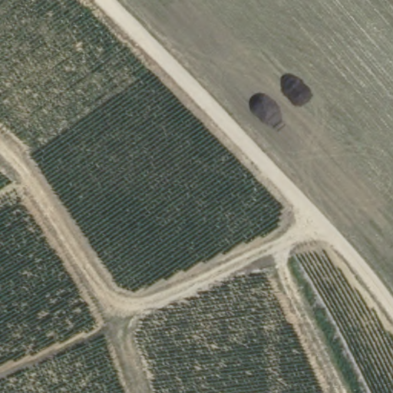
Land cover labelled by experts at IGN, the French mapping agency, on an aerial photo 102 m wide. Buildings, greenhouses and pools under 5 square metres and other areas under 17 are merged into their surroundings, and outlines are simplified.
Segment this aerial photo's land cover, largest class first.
<instances>
[{"label":"vineyard","instance_id":"1","mask_svg":"<svg viewBox=\"0 0 393 393\"><path fill-rule=\"evenodd\" d=\"M0 123L5 124L20 140L28 144L32 160L37 163L38 169L45 175L52 189L68 212L83 235L88 238L92 249L109 270L117 286L132 292L152 286L160 279H169L175 273L189 270L195 264L206 263L220 253L230 252L239 244L250 243L258 236L267 235L278 227L279 216L284 206L293 212V204L286 200V196L282 195L276 184L270 178H264L261 183L256 180L261 172L259 167L230 140L229 135L207 115L203 107L138 45L134 38H130L95 0H0ZM11 183L0 173V393H124L106 339L98 333L101 330L100 325L95 324L88 304L81 298L74 279L63 266L60 256L49 246L41 227L35 221L34 215L21 204L18 190L11 189ZM287 264L299 293L304 296L307 312L312 315L322 332L333 364L338 368L348 393H393V318L388 315L378 296L367 286V282L332 244L310 239L293 244ZM138 348L147 352V364L154 375L157 393H322L321 385L313 373L309 359L305 356L298 335L293 330V325L287 321L286 313L282 310L278 298L273 295L272 286L264 273L233 275L224 279L220 286L201 290L196 292L195 296L183 298L180 302H170L166 307L155 309L144 316L141 318L140 332L137 333Z\"/></svg>","mask_w":393,"mask_h":393},{"label":"agricultural land","instance_id":"2","mask_svg":"<svg viewBox=\"0 0 393 393\"><path fill-rule=\"evenodd\" d=\"M146 29L147 34L154 38L158 45L163 46L164 51L177 61L216 103L220 104L221 109L244 130V134L261 149V152L266 154L269 160L321 210L322 215L338 229V232L347 239V243L381 279L393 298V0H117Z\"/></svg>","mask_w":393,"mask_h":393},{"label":"pervious surface","instance_id":"3","mask_svg":"<svg viewBox=\"0 0 393 393\"><path fill-rule=\"evenodd\" d=\"M130 38H134L138 45L203 107L207 115L229 135L230 140L259 167L261 172L256 180L261 183L264 178H270L276 184L282 195L286 196V200L293 204V212L295 224L272 243L255 247L238 258L230 259L229 263L213 267L203 275L181 282L178 286L170 287L163 292L144 298H126L104 286V282L69 232L68 226L64 224L63 216L68 212L52 189L46 192L43 189L38 178L32 175L28 166L0 137V155L20 175V184L11 183V189L18 190L21 204L34 215L35 221L41 227L51 223L74 263L84 278L88 279L89 286L100 299L107 315L126 316L138 312L144 316L155 309L166 307L170 302H180L183 298L195 296L196 292L201 290L220 286L224 279L233 275L236 270L243 269L247 264L264 256H273L278 270L287 264L293 244L310 239L332 244L367 282V286L378 296L388 315L393 318V298L381 279L347 243V239L338 232V229L322 215L321 210L269 160L266 154L261 152V149L244 134V130L221 109L220 104L216 103L177 61L164 51L163 46L158 45L154 38L147 34L146 29L117 0H95Z\"/></svg>","mask_w":393,"mask_h":393},{"label":"herbaceous vegetation","instance_id":"4","mask_svg":"<svg viewBox=\"0 0 393 393\"><path fill-rule=\"evenodd\" d=\"M0 137L28 166L32 175L38 178L43 189L46 192L52 189L45 175L38 169L37 163L32 160L28 144L20 140L5 124L0 123ZM0 173L11 183L20 184V175L0 155ZM64 224L68 226L69 232L104 282V286L126 298H144L163 292L170 287L178 286L181 282L203 275L213 267L229 263L230 259L238 258L255 247L272 243L295 224L293 212L284 206L279 216L278 227L267 235L258 236L250 243L239 244L230 252L220 253L206 263L195 264L189 270L175 273L169 279H160L152 286L132 292L117 286L109 270L92 249L88 238L83 235L68 212L63 216ZM49 246L60 256L63 266L74 279L81 298L88 304L95 324L100 325L101 330L98 333L106 339L124 393H157L154 375L147 364V352L138 348L137 333L140 332L141 318L144 316L138 312L126 316L107 315L100 299L89 286L88 279L84 278L74 263L51 223L41 227ZM264 273L272 286L273 295L278 298L282 310L286 313L287 321L293 325V330L298 335L305 356L309 359L313 373L321 385L322 393H348L338 368L333 364L322 332L312 315L307 312L304 296L299 293L287 264L278 270L273 256H264L247 264L243 269L236 270L233 275Z\"/></svg>","mask_w":393,"mask_h":393}]
</instances>
